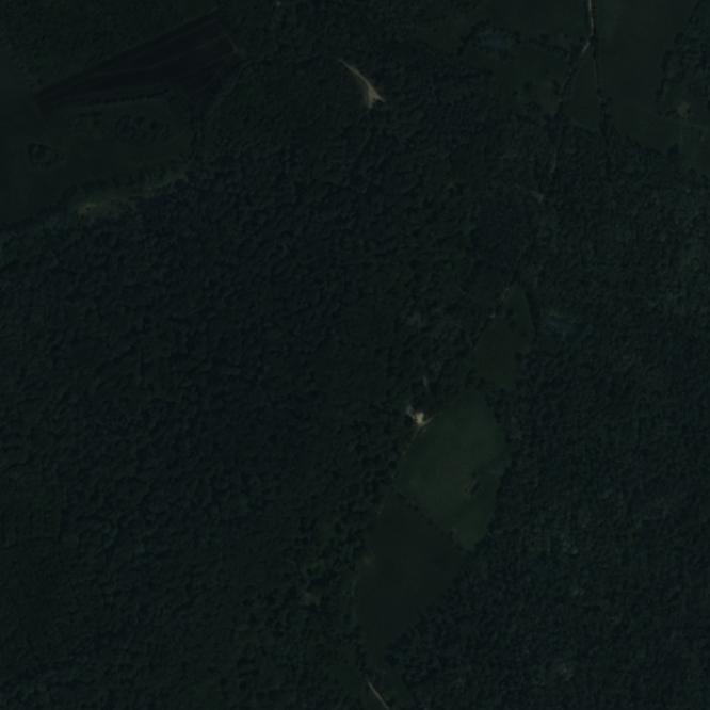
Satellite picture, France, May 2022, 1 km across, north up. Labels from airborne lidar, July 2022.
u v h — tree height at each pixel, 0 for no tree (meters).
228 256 25
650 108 0
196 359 19
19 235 28
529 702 32
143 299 27
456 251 22
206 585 20
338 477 26
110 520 15
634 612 13
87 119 13
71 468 29
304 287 24
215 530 26
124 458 26
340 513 20
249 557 20
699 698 25
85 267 24
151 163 0
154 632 26
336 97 24
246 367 31
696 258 19
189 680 23
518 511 18
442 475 0
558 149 17
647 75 0
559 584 25
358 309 24
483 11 0
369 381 30
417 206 23
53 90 0
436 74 7
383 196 30
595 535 20
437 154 19
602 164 7
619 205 20
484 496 0
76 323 25
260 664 36
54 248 33
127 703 25
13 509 15
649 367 12
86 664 28
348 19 12
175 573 26
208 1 12
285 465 24
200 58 0
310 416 20
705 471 12
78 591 12
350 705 15
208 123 21
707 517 12
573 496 22
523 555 31
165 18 13
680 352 22
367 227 27
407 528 0
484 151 9
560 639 26
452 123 21
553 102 0
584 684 24
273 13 26
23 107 0
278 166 25
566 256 21
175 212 29
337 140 25
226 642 29
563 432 19
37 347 25
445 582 0
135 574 30
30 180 0
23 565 17
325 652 8
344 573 28
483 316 8
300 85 24
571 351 21
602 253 22
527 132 26
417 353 15
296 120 29
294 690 17
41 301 23
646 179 21
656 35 0
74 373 27
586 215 21
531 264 22
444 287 30
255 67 18
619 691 9
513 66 26
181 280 30
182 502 31
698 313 22
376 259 23
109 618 15
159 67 0
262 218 22
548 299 21
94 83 0
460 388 20
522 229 25
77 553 16
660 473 27
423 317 20
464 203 24
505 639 27
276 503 19
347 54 27
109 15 13
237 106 13
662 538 24
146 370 30
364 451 30
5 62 0
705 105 0
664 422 27
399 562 0
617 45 0
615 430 18
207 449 31
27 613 19
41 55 15
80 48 15
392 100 18
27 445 27
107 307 31
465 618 15
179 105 11
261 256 26
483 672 23
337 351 22
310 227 25
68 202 21
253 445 29
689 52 10
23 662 15
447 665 28
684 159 7
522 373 22
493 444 0
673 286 21
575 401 16
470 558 14
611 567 28
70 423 29
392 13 25
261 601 23
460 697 28
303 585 27
